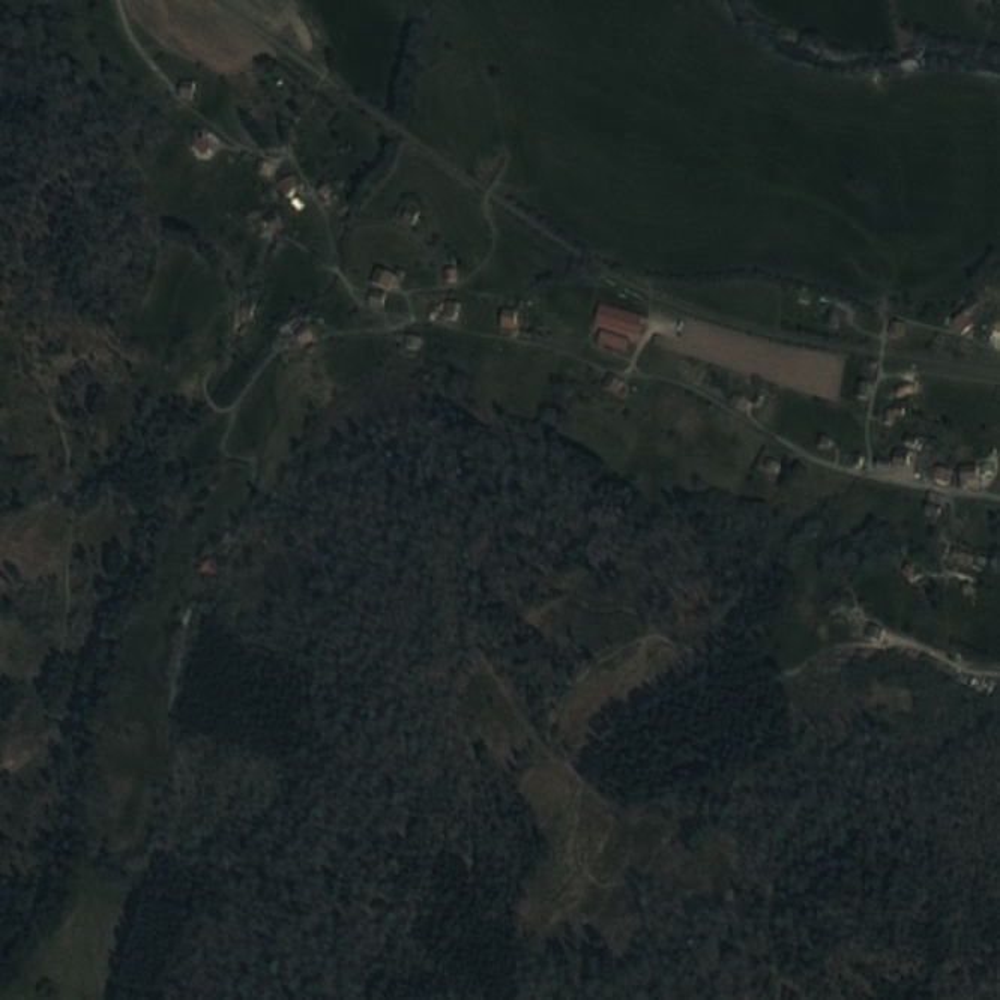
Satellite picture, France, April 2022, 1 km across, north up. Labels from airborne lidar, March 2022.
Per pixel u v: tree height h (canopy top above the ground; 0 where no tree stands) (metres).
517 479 13
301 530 25
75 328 16
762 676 31
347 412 0
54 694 33
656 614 27
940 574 0
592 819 0
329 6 0
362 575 12
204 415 22
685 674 24
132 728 0
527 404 0
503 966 10
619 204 0
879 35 0
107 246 20
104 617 33
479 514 16
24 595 13
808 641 0
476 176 9
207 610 14
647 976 25
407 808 8
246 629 11
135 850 0
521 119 0
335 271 0
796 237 0
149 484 34
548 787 0
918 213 0
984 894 19
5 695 28
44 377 13
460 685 16
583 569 23
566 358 0
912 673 8
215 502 0
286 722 11
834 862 17
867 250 0
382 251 0
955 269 0
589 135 0
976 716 10
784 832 17
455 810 18
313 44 0
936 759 7
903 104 0
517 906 24
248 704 12
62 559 0
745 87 0
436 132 0
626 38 0
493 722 0
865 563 19
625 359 0
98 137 27
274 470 0
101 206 28
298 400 0
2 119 23
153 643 0
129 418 0
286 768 7
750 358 0
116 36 0
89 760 29
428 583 16
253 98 0
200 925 23
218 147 0
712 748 14
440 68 0
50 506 23
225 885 22
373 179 19
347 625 16
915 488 0
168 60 6
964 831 8
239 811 15
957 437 0
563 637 0
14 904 27
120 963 15
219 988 22
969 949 17
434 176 0
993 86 0
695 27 0
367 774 17
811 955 20
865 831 7
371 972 13
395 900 13
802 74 0
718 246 0
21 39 32
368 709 17
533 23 0
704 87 0
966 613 0
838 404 0
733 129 0
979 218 0
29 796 22
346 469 25
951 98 0
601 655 0
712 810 28
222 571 17
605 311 0
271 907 21
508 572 15
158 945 21
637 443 0
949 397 0
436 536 13
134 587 36
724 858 0
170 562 0
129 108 16
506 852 20
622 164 0
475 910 17
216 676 14
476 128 0
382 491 23
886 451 0
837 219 0
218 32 0
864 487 0
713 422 0
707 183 0
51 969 0
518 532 19
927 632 0
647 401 0
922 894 14
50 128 20
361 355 0
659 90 0
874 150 0
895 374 0
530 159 0
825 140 0
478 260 0
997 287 0
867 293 0
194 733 14
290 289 0
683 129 0
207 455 0
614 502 30
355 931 19
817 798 26
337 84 0
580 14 0
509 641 19
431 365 11
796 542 18
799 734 25
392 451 11
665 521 21
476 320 0
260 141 24
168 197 0
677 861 0
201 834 14
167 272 0
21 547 0
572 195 0
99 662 33
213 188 0
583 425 0
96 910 0
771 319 0
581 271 18
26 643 0
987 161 0
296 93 11
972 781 14
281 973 22
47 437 0
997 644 0
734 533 13
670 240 0
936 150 0
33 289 16
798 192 0
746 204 0
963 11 0
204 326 0
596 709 0
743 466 0
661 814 16
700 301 0
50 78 26
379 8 0
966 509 0
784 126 0
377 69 0
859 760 23
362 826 17
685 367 0
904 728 10
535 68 0
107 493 35
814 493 0
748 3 16
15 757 0
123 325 22
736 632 30
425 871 14
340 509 22
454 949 13
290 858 18
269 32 0
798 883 26
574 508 16
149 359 19
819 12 0
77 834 24
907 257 0
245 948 20
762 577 12
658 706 30
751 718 32
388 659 11
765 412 0
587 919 0
